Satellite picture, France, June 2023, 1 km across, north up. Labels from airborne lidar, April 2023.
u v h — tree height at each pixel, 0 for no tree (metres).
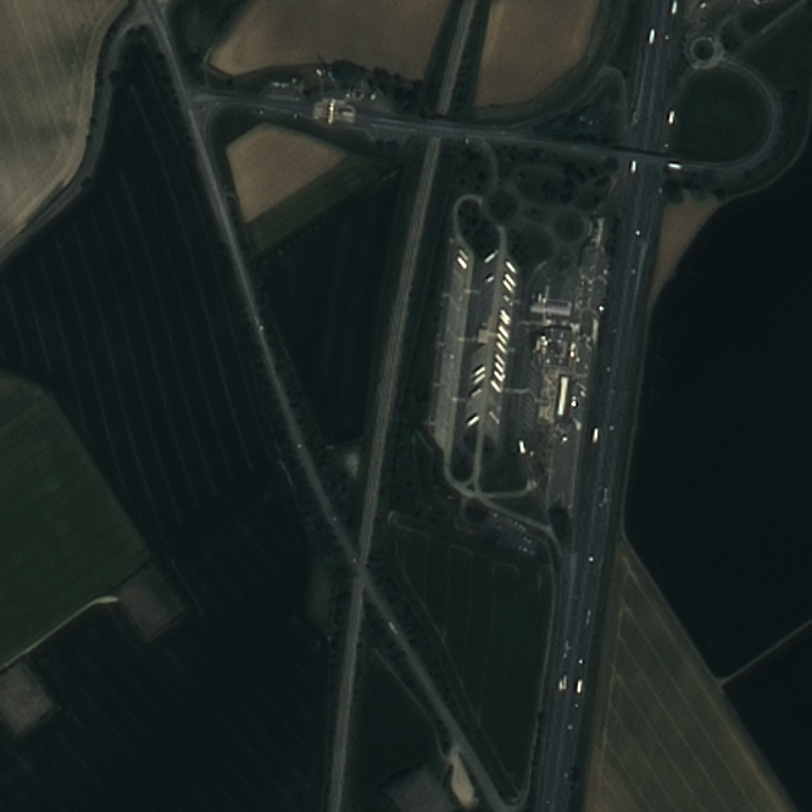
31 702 0
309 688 0
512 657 0
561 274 0
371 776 0
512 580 0
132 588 0
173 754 0
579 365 0
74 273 0
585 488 0
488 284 0
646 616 0
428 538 0
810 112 0
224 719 0
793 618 0
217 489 0
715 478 0
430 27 0
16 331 0
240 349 0
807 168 0
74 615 0
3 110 0
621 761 0
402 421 6
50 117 0
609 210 0
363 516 0
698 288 0
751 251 0
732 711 0
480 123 0
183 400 0
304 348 0
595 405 0
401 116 0
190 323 0
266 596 0
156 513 0
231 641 0
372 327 0
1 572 0
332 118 0
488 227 11
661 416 0
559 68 0
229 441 0
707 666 0
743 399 0
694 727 0
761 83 0
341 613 8
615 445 0
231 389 0
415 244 0
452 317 0
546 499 0
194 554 0
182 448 0
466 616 0
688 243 0
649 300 0
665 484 0
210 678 0
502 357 0
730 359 0
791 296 0
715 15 0
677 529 0
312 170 0
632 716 0
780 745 0
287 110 0
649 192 0
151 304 0
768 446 0
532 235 0
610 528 0
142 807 0
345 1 0
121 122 0
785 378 0
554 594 0
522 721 0
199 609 0
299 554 0
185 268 0
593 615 0
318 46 0
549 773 0
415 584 0
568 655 0
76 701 0
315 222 0
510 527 0
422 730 0
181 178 0
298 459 8
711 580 0
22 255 0
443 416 0
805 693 0
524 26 0
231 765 0
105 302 0
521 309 0
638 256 0
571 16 0
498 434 0
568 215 0
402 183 0
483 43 0
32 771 0
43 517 0
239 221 6
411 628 11
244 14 0
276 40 0
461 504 0
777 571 0
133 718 0
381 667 0
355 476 0
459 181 0
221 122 0
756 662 0
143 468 0
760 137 0
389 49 0
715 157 0
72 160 0
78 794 0
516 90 0
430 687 0
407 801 0
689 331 0
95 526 0
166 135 0
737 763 0
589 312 0
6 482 0
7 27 0
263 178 0
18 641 0
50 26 0
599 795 0
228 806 0
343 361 0
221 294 0
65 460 0
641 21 0
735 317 0
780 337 0
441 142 0
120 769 0
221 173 0
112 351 0
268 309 12
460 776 0
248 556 0
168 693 0
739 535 0
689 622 0
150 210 0
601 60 0
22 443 0
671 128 0
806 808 0
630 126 0
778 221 0
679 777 0
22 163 0
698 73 0
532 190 0
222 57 0
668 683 0
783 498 0
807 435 0
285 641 0
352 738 0
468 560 0
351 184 0
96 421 0
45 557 0
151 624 0
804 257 0
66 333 0
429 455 0
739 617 0
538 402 0
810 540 0
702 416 0
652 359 0
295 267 0
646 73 0
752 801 0
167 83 11
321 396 0
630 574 0
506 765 0
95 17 0
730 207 0
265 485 0
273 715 0
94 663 0
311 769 0
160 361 0
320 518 6
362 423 0
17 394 0
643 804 0
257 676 0
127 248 0
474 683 0
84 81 0
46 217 0
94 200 0
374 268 0
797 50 0
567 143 0
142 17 0
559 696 0
